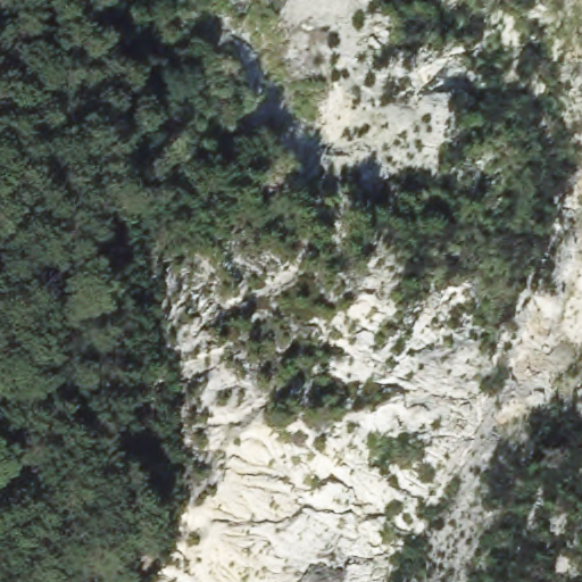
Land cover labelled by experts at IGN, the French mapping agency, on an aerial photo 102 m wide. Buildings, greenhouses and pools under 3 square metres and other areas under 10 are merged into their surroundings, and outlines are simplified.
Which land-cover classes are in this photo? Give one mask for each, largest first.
<instances>
[{"label":"coniferous trees","instance_id":"1","mask_svg":"<svg viewBox=\"0 0 582 582\"><path fill-rule=\"evenodd\" d=\"M120 0H0V582H157L161 568L171 564V557L177 548L180 518L189 507L191 487L211 473V466L207 462H198L193 450L184 446L180 416V407L184 402L180 393V380L184 377L182 359L180 350L168 348L164 341L166 318L161 316V298L166 293V273L182 266L186 257L207 255L211 248H223L232 239V234L246 230L255 236V246H261L266 252L280 255L284 261H293L298 250L305 252V257L318 259L321 252L327 255L336 248L332 234L339 205L327 207L325 196H309L307 191L293 193L291 186L284 182H280L277 186H266V171L277 159H284L286 152H291L300 166L311 161L314 157L321 159L325 141L321 136V130L316 134L296 136L298 120L293 114L286 111V107H282V86L271 84V75L261 70L259 59H250V50L246 48V41L241 36H234L225 43H221V39L211 45L202 39H196L189 48L180 50V57L202 59L205 66L196 70L202 80V89L189 98L196 109L193 120L186 125V130L175 141L161 134V123L157 120V95H146L141 86L146 84V77L132 61L120 59L118 52V32L111 30V25L120 14Z\"/></svg>","mask_w":582,"mask_h":582},{"label":"pervious surface","instance_id":"2","mask_svg":"<svg viewBox=\"0 0 582 582\"><path fill-rule=\"evenodd\" d=\"M368 7L366 0H286L282 5L280 16L271 20H259L250 16L236 20L230 14H223L221 39V43H225L234 36H241L246 41V48L250 50V59H259L261 70L271 75V84L282 86V107H286V111L293 114L298 120L296 136L316 134L321 130V136L325 141L321 159L323 168H334V175L341 173L343 166H355L366 157L377 159L382 177L400 173L402 168H427L430 173H434L439 164V148L446 134V118L450 114L448 93L443 91V84L455 75H462L466 68L462 64V45H446L441 57L434 50L421 48L416 55L414 70L402 68L405 52H400L389 66L377 70L373 86H366L364 77L373 66V59L389 43V16L373 14L364 18V27L355 30L352 16L355 11ZM468 9L477 16H484L487 20L482 39L473 45V52L480 55L482 50L491 52L502 45L518 43H543L550 50L552 59H564L559 75L562 82H571V91L562 93V116L566 125H582V0H471ZM300 166L291 152H286L284 159H277L266 171V186H277L280 182H284V177L291 171H298ZM555 230L550 232V243L559 248L555 261V296L537 293L532 289L521 291L514 316L518 330L500 332L496 341V352L482 355L480 343L471 339V332H482V325L473 323L471 314L462 316L459 327H450L448 321L450 309L455 305L468 302L477 296L480 280L473 277L459 282L457 286H448L439 293H432L427 300H423L425 309L416 321V327L411 332V339L405 343L402 355L393 352V346L400 339L398 330L384 341L382 350H373V339L380 325L384 321H391V316L396 314V305L391 300V291L398 284L405 266L396 261L393 252L384 246V241H380L375 246L373 257L368 259V277H364L359 271L336 273L339 280L346 282V291L357 298L355 305L350 309L336 311L334 318L316 316L311 321L316 341L343 348L341 361L330 359V373L334 377H339L341 382L371 380L377 384H398L407 389L405 396H393L375 411L343 414L341 409L330 411L318 407L305 414L300 411L293 423L271 430L264 423V402L268 400V396L259 391L255 380L236 377L223 364L221 346L207 350L209 334L202 332V327L225 309L241 305L246 296H268L284 291L289 284L296 282L298 268L305 257V252L298 250L293 261H284L280 255L266 252L261 246H255V236L246 230L232 234V239L223 248H211L207 255L186 257L182 266L166 273V293L161 298V316L166 318L164 341L168 348L180 350L182 359L184 377L180 380V393L184 402L180 407V416L184 446L193 450L198 462H207L211 466V473L191 487L189 507L180 518L177 548L171 557V564L161 568L157 582H386V577L393 573L391 555L402 550L405 537L409 532H421L432 543L430 559L434 562V575L423 582H466V573L471 568L489 566V557L477 555L475 550L480 546V534L496 518L491 509L482 507V498H475L480 480L471 473V468L489 466V459L500 439H507L509 443L527 441V414L534 407L550 402L552 396H562L564 400H568L571 396H582V161L577 166V173L573 175L571 196H555ZM498 364L509 366L512 373L507 375V382L500 389V393L487 396L482 393L480 382L484 375L493 373ZM371 432H382L386 437L416 432L418 439L425 441V457H416L407 471L400 466H389L400 482L393 489L384 482L377 468H368L366 439ZM455 475L462 477V487L452 512H448L443 521L434 518L430 525H425V521H421L416 512L418 498H423L427 505H437L443 498L446 484Z\"/></svg>","mask_w":582,"mask_h":582},{"label":"brushwood","instance_id":"3","mask_svg":"<svg viewBox=\"0 0 582 582\"><path fill-rule=\"evenodd\" d=\"M120 14L111 25V30L118 32V52L120 59L132 61L146 77V84L141 86L146 95H157V120L161 123V134L175 141L186 130V125L193 120L196 109L189 98L171 100L164 77L175 70H196L205 66L202 59L180 57V50L189 48L196 39H202L211 45L221 39L223 14H230L236 20L250 16L259 20H271L280 16L282 5L286 0H120ZM368 7L355 11L352 16L355 30L364 27V18L373 14L389 16V43L373 59V66L364 77L366 86H373L377 70L389 66L400 52H405L402 68L414 70L416 55L421 48L434 50L441 57L446 45H462V64L466 68L462 75H455L443 84V91L448 93L450 114L446 118V134L439 148V164L434 173H430L427 168H402L400 173L382 177L377 159L366 157L355 166H343L341 173L334 175V168H323L321 159L314 157L311 161L300 166L298 171H291L284 177V182L291 186L293 193L307 191L309 196H325L327 207L339 205L332 234L336 248L327 255L321 252L318 259L305 257L298 268L296 282L289 284L284 291L268 296H246L241 305L225 309L202 327V332L209 334L207 350L221 346L223 364L236 377L255 380L259 391L268 396V400L264 402V423L271 430L293 423L300 411L305 414L318 407L330 411L341 409L343 414L375 411L393 396H405L407 389L398 384H377L371 380L341 382L339 377H334L330 373V359L341 361L343 348L316 341L311 321L316 316L334 318L336 311L350 309L355 305L357 298L346 291V282L339 280L336 273L359 271L364 277H368V259L373 257L375 246L380 241H384V246L393 252L396 261L405 266L398 284L391 291V300L396 305H411L423 300H427L432 293H439L448 286H457L459 282L473 277L482 261L507 259V286H518L521 291L532 289L537 293L555 296V261L559 248L550 243V232L555 230V196H571L573 175L577 173V166L582 161V125H566L562 116V93L571 91V82H562L559 75L564 59H552L550 50L543 43H518L502 45L491 52L482 50L480 55L473 52V45L482 39L487 20L484 16H477L468 9L471 0H366ZM471 473L480 480L475 498H482V507L491 509L496 518L480 534V546L475 550L477 555L489 557V566L471 568L466 573V582H582V396H571L568 400H564L562 396H552L550 402L534 407L527 414V441L509 443L507 439H500L489 459V466L471 468ZM368 468H377L384 482L393 489L400 482L389 466H400L407 471L416 457H425V441L418 439L416 432L386 437L382 432H371L366 439ZM432 543L421 532H409L405 537L402 550L391 555L393 573L386 577V582H423L434 575V562L430 559Z\"/></svg>","mask_w":582,"mask_h":582},{"label":"herbaceous vegetation","instance_id":"4","mask_svg":"<svg viewBox=\"0 0 582 582\"><path fill-rule=\"evenodd\" d=\"M507 259L482 261L473 277L480 280L477 296L468 302L455 305L450 309L448 321L450 327H459L462 316L471 314L473 323L482 325V332H471V339L480 343L482 355L496 352V341L500 332L518 330L514 316L521 291L518 286H507ZM425 309L423 300L411 305H396V314L391 316V321H384L380 325L373 339V350H382L384 341L398 330L400 339L393 346V352L402 355L405 343L411 339V332L416 327V321ZM512 373L509 366L498 364L493 373L484 375L480 382L482 393L487 396L500 393V389L507 382V375ZM462 487V477L455 475L446 484L443 498L437 505H427L423 498H418L416 512L421 521H425V525H430L434 518L443 521L448 512H452Z\"/></svg>","mask_w":582,"mask_h":582},{"label":"deciduous trees","instance_id":"5","mask_svg":"<svg viewBox=\"0 0 582 582\"><path fill-rule=\"evenodd\" d=\"M171 100L189 98L202 89V80L196 70H175L164 77Z\"/></svg>","mask_w":582,"mask_h":582}]
</instances>
